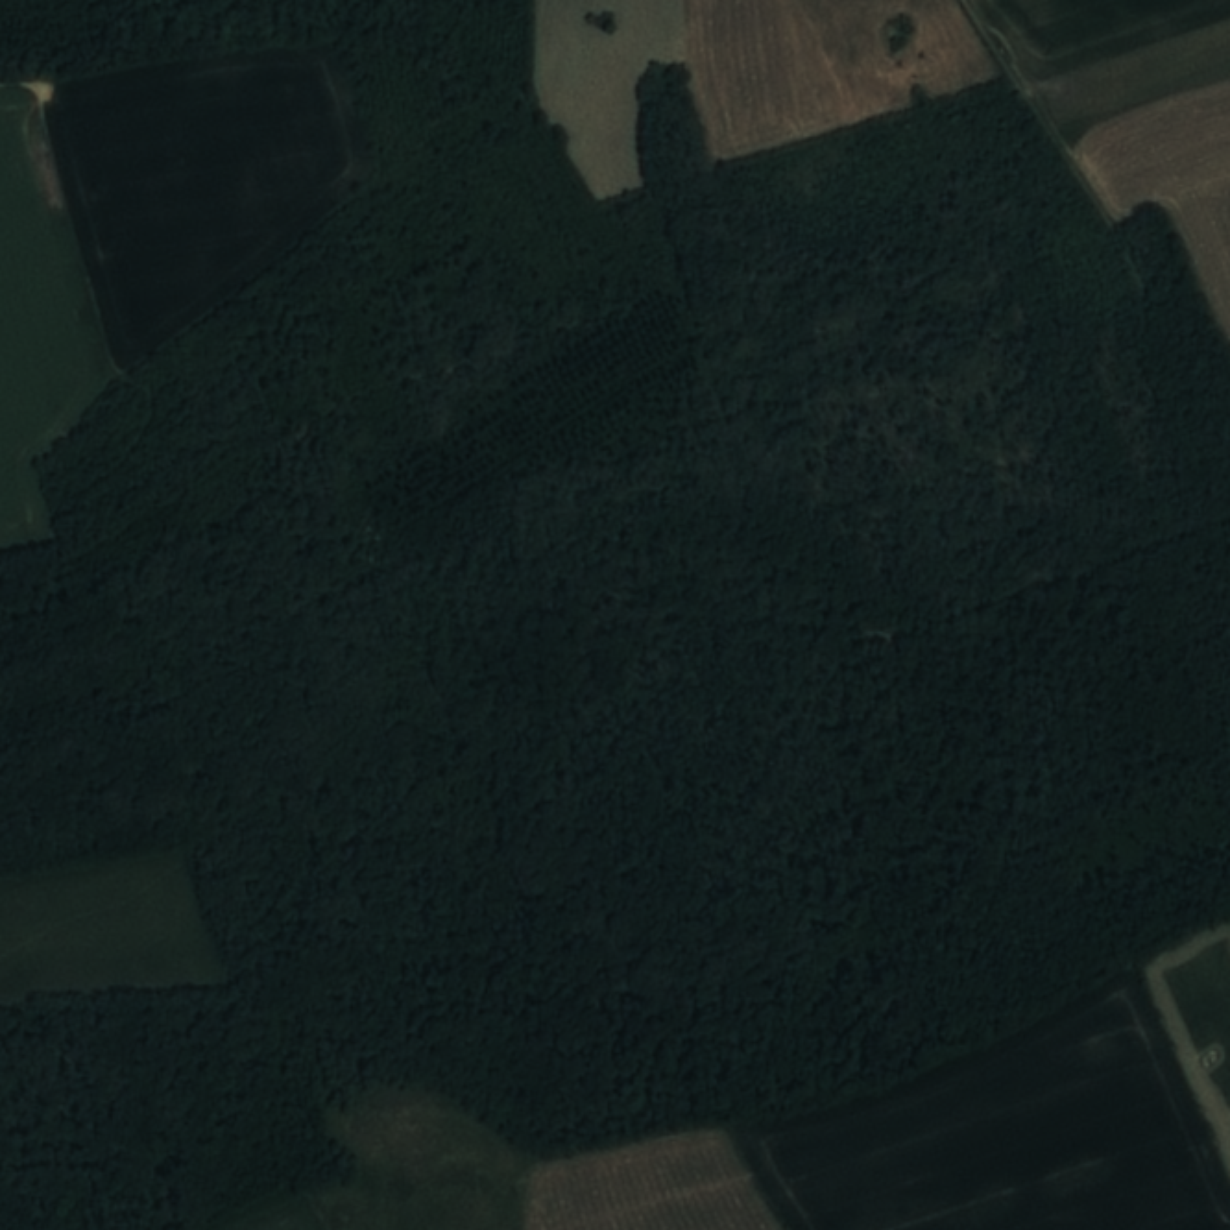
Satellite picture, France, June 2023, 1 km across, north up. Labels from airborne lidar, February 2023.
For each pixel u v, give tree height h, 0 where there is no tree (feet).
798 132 0
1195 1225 0
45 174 0
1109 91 0
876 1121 0
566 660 92
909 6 0
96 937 0
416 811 79
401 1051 67
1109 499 67
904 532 75
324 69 0
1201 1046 0
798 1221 0
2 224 0
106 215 0
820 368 28
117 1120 74
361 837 63
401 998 71
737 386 52
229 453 49
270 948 60
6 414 0
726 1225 0
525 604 54
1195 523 66
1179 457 53
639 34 0
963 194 27
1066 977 54
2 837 69
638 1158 0
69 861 53
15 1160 76
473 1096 56
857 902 61
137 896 0
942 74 0
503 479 38
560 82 0
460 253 58
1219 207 0
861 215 31
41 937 0
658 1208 0
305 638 67
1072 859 47
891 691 56
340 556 67
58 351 0
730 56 0
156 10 55
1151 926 70
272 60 0
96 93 0
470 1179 0
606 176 0
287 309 36
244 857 71
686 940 76
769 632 81
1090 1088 0
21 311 0
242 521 73
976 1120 0
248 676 70
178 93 0
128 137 0
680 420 47
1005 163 27
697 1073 83
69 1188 77
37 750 64
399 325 56
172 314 0
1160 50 0
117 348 0
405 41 53
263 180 0
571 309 54
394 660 63
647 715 84
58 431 0
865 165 20
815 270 47
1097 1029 0
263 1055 66
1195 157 0
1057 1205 0
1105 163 0
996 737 66
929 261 33
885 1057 78
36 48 30
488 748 74
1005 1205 0
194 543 77
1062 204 23
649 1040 93
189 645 61
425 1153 0
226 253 0
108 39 56
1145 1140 0
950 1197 0
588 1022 101
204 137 0
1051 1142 0
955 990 67
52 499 22
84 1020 68
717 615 77
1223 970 0
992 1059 0
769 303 46
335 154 0
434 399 56
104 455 31
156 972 0
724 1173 0
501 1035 91
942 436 58
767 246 41
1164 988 0
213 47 53
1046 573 69
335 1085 38
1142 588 70
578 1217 0
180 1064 73
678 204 77
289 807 75
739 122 0
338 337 35
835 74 0
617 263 19
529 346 26
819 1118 0
